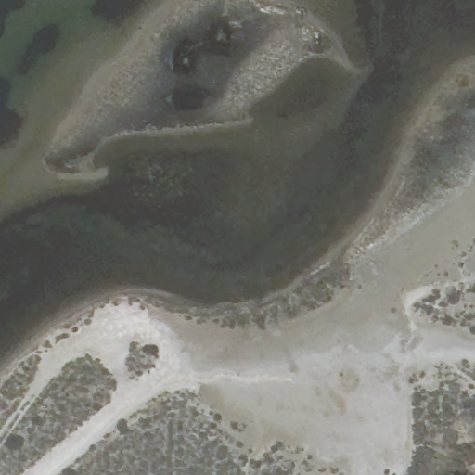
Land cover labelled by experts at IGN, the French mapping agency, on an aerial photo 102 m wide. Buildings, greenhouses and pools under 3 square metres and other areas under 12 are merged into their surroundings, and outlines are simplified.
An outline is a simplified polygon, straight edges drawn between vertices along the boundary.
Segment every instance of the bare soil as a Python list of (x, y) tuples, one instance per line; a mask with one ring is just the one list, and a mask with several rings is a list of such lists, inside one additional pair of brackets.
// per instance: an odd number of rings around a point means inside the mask
[[(432, 282), (456, 280), (462, 267), (475, 273), (475, 56), (469, 56), (451, 65), (449, 71), (443, 74), (442, 80), (434, 83), (427, 91), (423, 104), (412, 111), (412, 121), (406, 126), (401, 147), (395, 154), (397, 161), (386, 176), (384, 187), (377, 193), (369, 212), (364, 213), (358, 219), (358, 223), (353, 225), (353, 234), (347, 234), (336, 245), (332, 245), (327, 254), (312, 265), (312, 269), (306, 269), (301, 275), (295, 276), (295, 280), (286, 288), (271, 291), (263, 295), (262, 299), (217, 302), (213, 306), (195, 306), (195, 302), (163, 289), (122, 288), (121, 291), (108, 291), (98, 299), (104, 304), (104, 308), (100, 308), (95, 301), (83, 301), (82, 304), (76, 304), (61, 312), (46, 334), (28, 341), (19, 354), (15, 354), (9, 362), (0, 367), (0, 377), (4, 380), (11, 379), (15, 373), (22, 373), (20, 366), (24, 362), (28, 362), (33, 356), (41, 358), (35, 379), (30, 384), (28, 392), (20, 397), (19, 408), (0, 423), (0, 438), (4, 442), (9, 440), (20, 419), (30, 412), (33, 401), (45, 390), (50, 379), (58, 377), (61, 367), (67, 362), (89, 354), (93, 358), (100, 358), (102, 366), (117, 380), (117, 388), (111, 392), (109, 404), (102, 406), (95, 416), (89, 417), (83, 425), (72, 432), (71, 436), (67, 436), (63, 442), (52, 447), (33, 468), (26, 469), (22, 475), (58, 475), (67, 466), (71, 466), (74, 458), (83, 455), (91, 443), (102, 440), (102, 436), (113, 429), (119, 423), (119, 419), (124, 419), (137, 408), (145, 408), (148, 399), (156, 397), (158, 393), (176, 390), (191, 390), (195, 393), (195, 399), (187, 401), (187, 406), (204, 412), (206, 421), (213, 421), (215, 414), (221, 414), (221, 429), (228, 432), (232, 438), (236, 438), (237, 442), (243, 442), (243, 447), (237, 447), (236, 443), (228, 443), (225, 438), (221, 440), (230, 451), (234, 464), (239, 462), (239, 456), (245, 455), (245, 466), (250, 466), (252, 460), (260, 460), (267, 453), (271, 458), (284, 456), (295, 462), (293, 471), (299, 475), (404, 475), (412, 464), (412, 456), (416, 451), (412, 430), (412, 395), (423, 388), (438, 388), (436, 366), (440, 362), (451, 366), (460, 360), (475, 362), (475, 334), (471, 334), (466, 327), (443, 325), (432, 321), (429, 315), (423, 314), (421, 310), (414, 310), (414, 302), (421, 301), (423, 297), (432, 293)], [(132, 341), (158, 347), (156, 366), (135, 380), (130, 379), (130, 371), (126, 367), (126, 358)]]
[(134, 33), (121, 46), (121, 50), (106, 63), (102, 63), (91, 74), (91, 78), (83, 83), (82, 95), (74, 100), (69, 113), (59, 122), (50, 143), (46, 145), (45, 152), (41, 154), (41, 165), (45, 173), (50, 174), (52, 178), (69, 182), (96, 182), (106, 178), (108, 169), (93, 167), (96, 154), (111, 141), (128, 135), (193, 134), (250, 124), (250, 106), (258, 98), (269, 95), (282, 83), (284, 76), (288, 76), (289, 72), (297, 69), (306, 59), (330, 59), (336, 61), (345, 71), (360, 74), (360, 69), (345, 54), (340, 35), (327, 28), (325, 22), (321, 22), (319, 17), (310, 13), (299, 0), (158, 0), (139, 22), (135, 22)]

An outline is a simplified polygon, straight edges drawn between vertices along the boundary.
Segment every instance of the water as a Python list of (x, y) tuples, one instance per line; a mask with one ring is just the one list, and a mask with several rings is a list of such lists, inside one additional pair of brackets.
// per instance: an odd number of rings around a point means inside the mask
[(327, 254), (332, 245), (336, 245), (347, 234), (353, 234), (353, 225), (358, 223), (358, 219), (364, 213), (369, 212), (377, 193), (384, 187), (386, 176), (397, 161), (395, 154), (401, 147), (406, 126), (412, 121), (412, 111), (423, 104), (427, 91), (434, 83), (442, 80), (443, 74), (449, 71), (451, 65), (469, 56), (475, 56), (475, 0), (299, 0), (310, 13), (319, 17), (321, 22), (325, 22), (327, 28), (340, 35), (345, 54), (360, 69), (360, 74), (345, 71), (336, 61), (330, 59), (306, 59), (297, 69), (289, 72), (288, 76), (284, 76), (282, 83), (269, 95), (258, 98), (250, 106), (250, 124), (193, 134), (128, 135), (111, 141), (96, 154), (93, 167), (108, 169), (106, 178), (96, 182), (69, 182), (52, 178), (50, 174), (45, 173), (41, 165), (41, 154), (45, 152), (46, 145), (50, 143), (59, 122), (69, 113), (74, 100), (82, 95), (83, 83), (91, 78), (91, 74), (102, 63), (106, 63), (121, 50), (121, 46), (134, 33), (135, 22), (139, 22), (158, 0), (0, 0), (0, 367), (9, 362), (15, 354), (19, 354), (28, 341), (46, 334), (61, 312), (76, 304), (82, 304), (83, 301), (95, 301), (100, 308), (104, 308), (104, 304), (98, 299), (108, 291), (121, 291), (122, 288), (163, 289), (195, 302), (195, 306), (213, 306), (217, 302), (262, 299), (263, 295), (271, 291), (286, 288), (295, 280), (295, 276), (301, 275), (306, 269), (312, 269), (312, 265)]

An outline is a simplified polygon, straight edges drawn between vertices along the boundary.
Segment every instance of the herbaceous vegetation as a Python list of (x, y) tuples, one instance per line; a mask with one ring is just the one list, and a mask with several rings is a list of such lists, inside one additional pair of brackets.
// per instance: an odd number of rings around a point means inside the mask
[(158, 347), (132, 341), (126, 358), (126, 367), (130, 371), (130, 379), (135, 380), (156, 366)]
[(414, 310), (421, 310), (423, 314), (429, 315), (432, 321), (443, 325), (466, 327), (471, 334), (475, 334), (475, 273), (462, 267), (456, 280), (432, 282), (432, 293), (423, 297), (421, 301), (414, 302)]
[(148, 399), (145, 408), (137, 408), (124, 419), (119, 419), (119, 423), (113, 429), (102, 436), (102, 440), (91, 443), (83, 455), (74, 458), (71, 466), (67, 466), (58, 475), (299, 475), (293, 471), (295, 462), (284, 456), (271, 458), (267, 453), (260, 460), (252, 460), (250, 466), (245, 466), (245, 455), (239, 456), (239, 462), (234, 464), (230, 451), (221, 440), (225, 438), (228, 443), (236, 443), (237, 447), (243, 447), (243, 442), (237, 442), (236, 438), (232, 438), (228, 432), (221, 429), (221, 414), (215, 414), (213, 421), (206, 421), (204, 412), (187, 406), (187, 401), (195, 399), (195, 393), (191, 390), (176, 390), (158, 393), (156, 397)]
[(423, 388), (412, 395), (412, 430), (416, 451), (412, 456), (412, 464), (404, 475), (475, 475), (475, 362), (460, 360), (451, 366), (440, 362), (436, 366), (438, 388)]
[(15, 373), (11, 379), (4, 380), (0, 377), (0, 423), (19, 408), (20, 397), (28, 392), (30, 384), (35, 379), (41, 358), (33, 356), (28, 362), (24, 362), (20, 366), (22, 373)]
[(22, 475), (26, 469), (33, 468), (52, 447), (63, 442), (67, 436), (71, 436), (72, 432), (83, 425), (89, 417), (95, 416), (102, 406), (109, 404), (111, 392), (117, 388), (117, 380), (102, 366), (100, 358), (93, 358), (89, 354), (67, 362), (61, 367), (58, 377), (50, 379), (45, 390), (33, 401), (30, 412), (20, 419), (9, 440), (4, 442), (0, 438), (0, 475)]

